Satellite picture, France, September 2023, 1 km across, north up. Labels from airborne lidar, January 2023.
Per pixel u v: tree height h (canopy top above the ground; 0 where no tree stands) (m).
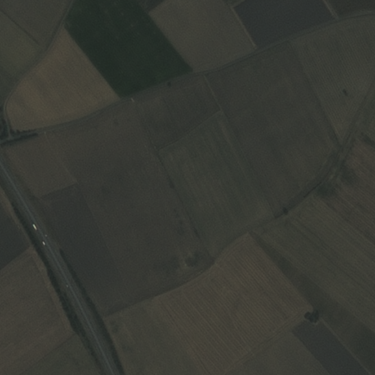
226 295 0
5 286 0
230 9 0
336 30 0
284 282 0
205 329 0
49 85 0
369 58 0
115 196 0
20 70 0
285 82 0
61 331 0
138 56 0
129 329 0
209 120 0
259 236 0
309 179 0
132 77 0
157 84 0
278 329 0
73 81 0
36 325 0
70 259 0
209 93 0
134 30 0
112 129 0
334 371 0
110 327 0
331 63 0
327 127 0
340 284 0
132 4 0
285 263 0
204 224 0
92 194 0
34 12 0
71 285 0
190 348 0
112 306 0
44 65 0
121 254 0
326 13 0
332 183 0
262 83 0
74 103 0
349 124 0
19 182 0
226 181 0
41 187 0
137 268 0
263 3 0
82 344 0
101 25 0
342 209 0
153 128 0
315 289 0
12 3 0
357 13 0
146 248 0
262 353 0
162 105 0
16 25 0
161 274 0
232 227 0
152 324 0
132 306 0
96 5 0
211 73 0
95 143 0
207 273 0
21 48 0
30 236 11
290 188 0
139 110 0
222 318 0
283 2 0
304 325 0
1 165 0
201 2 0
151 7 0
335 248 0
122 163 0
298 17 0
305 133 0
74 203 0
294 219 0
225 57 0
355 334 0
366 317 0
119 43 0
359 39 0
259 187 0
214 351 0
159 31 0
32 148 0
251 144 0
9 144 7
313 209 0
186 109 0
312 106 0
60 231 0
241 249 0
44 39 0
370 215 0
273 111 0
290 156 0
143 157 0
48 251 0
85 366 0
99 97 0
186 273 0
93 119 0
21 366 0
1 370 0
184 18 0
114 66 0
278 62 0
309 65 0
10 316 0
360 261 0
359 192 0
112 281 0
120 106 0
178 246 0
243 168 0
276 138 0
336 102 0
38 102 0
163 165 0
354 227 0
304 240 0
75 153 0
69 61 0
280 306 0
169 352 0
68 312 12
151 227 0
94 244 0
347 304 0
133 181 0
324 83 0
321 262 0
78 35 0
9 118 0
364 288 0
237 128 0
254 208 0
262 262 0
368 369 0
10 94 0
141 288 0
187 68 0
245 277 0
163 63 0
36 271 0
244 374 0
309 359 0
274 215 0
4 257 0
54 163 0
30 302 0
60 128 0
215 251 0
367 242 0
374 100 0
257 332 0
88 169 0
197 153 0
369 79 0
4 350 0
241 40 0
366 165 0
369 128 0
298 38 0
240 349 0
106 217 0
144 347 0
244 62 0
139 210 0
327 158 0
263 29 0
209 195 0
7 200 0
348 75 0
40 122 0
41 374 0
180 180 0
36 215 0
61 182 0
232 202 0
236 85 0
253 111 0
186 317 0
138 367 0
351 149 0
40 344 0
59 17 0
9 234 0
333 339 0
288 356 0
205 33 0
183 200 0
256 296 0
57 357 0
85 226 0
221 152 0
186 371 0
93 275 0
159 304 0
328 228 0
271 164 0
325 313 0
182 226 0
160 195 0
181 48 0
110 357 0
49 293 0
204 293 0
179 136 0
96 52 0
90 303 8
